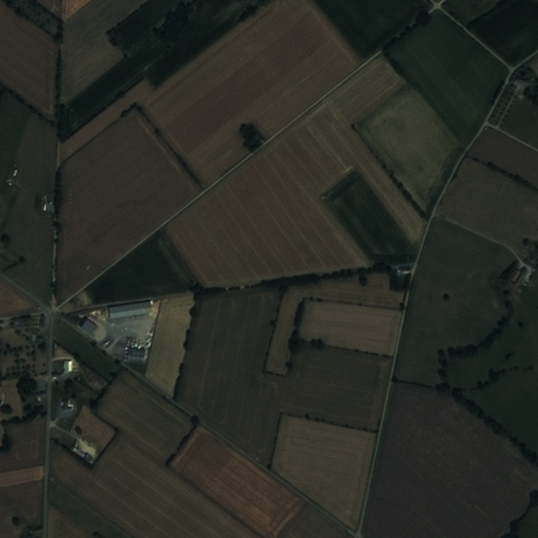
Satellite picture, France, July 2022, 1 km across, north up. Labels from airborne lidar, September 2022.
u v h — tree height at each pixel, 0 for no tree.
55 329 0
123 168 0
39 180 0
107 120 0
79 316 0
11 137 0
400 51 0
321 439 0
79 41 0
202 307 0
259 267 0
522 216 0
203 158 0
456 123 0
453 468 0
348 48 0
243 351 0
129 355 0
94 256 0
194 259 0
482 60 0
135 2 0
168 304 0
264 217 0
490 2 0
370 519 0
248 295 0
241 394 0
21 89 0
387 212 0
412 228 0
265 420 0
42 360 0
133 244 0
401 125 0
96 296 0
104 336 0
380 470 0
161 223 0
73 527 0
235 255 0
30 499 0
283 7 0
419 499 0
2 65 0
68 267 0
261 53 0
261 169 0
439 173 0
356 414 0
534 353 0
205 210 0
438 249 0
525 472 0
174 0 0
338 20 0
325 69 0
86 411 0
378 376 0
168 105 0
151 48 0
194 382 0
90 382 0
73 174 0
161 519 0
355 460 0
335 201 0
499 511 0
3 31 0
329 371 0
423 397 0
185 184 0
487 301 0
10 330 0
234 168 0
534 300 0
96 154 0
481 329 0
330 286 0
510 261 0
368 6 0
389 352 0
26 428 0
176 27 22
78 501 0
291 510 0
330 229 0
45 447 0
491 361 0
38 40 0
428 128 0
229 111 0
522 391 0
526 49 0
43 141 0
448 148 0
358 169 0
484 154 0
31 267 0
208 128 0
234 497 0
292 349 18
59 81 12
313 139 0
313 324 0
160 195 0
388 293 0
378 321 0
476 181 0
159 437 0
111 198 0
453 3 0
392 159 0
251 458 0
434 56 0
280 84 0
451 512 0
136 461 0
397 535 0
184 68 0
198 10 0
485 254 0
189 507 0
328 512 0
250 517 0
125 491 0
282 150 0
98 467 0
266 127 0
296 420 0
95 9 0
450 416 0
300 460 0
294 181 0
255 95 0
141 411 0
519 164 0
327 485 0
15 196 0
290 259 0
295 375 0
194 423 12
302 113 0
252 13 14
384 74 0
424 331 0
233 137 0
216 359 0
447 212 0
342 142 0
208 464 0
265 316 0
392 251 0
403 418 0
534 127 0
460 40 0
